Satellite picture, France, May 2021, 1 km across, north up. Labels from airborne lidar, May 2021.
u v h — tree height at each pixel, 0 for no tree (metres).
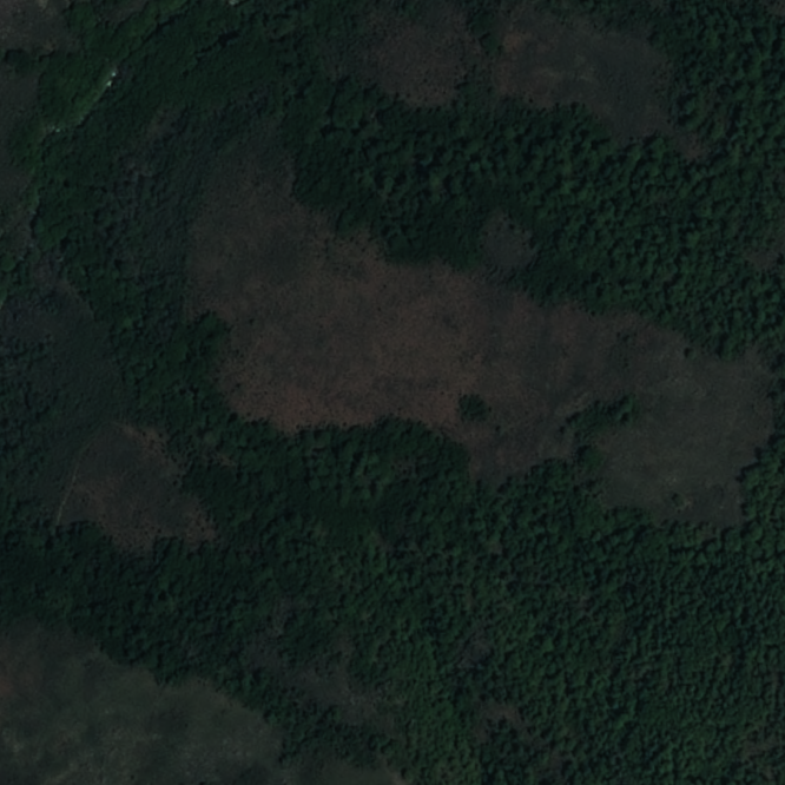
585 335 0
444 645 21
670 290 16
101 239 19
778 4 7
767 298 10
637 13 12
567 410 0
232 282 0
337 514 12
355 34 7
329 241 7
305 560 16
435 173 36
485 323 0
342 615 14
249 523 14
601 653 15
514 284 7
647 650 9
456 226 10
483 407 11
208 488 9
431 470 12
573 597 9
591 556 28
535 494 13
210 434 21
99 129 17
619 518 25
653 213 15
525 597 14
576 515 26
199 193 10
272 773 0
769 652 21
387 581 22
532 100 8
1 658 0
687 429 0
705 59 15
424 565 8
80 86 18
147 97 24
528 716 17
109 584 17
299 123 14
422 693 12
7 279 25
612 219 15
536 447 0
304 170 11
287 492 6
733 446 0
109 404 6
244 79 29
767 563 24
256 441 19
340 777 0
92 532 23
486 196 15
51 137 13
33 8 0
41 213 17
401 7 10
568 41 0
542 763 14
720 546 10
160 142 7
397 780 0
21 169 9
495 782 25
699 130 8
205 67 36
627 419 16
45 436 9
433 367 0
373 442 12
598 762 6
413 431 15
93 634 9
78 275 20
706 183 8
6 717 0
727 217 9
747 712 17
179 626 10
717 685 19
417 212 9
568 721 7
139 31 19
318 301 0
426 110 6
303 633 7
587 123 13
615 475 0
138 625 11
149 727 0
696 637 11
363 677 12
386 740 11
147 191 19
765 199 18
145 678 0
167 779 0
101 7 10
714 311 14
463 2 7
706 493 0
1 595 16
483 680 16
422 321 0
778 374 16
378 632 18
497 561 20
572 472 14
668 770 19
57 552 19
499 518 24
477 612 11
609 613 20
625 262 8
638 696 14
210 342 16
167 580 14
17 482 12
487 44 16
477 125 10
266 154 6
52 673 0
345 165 13
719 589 9
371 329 0
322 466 26
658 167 16
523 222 8
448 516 19
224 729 0
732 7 12
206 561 14
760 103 8
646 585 13
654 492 0
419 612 23
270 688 10
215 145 6
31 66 15
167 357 25
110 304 20
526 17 0
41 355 7
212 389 16
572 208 18
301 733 13
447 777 12
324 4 15
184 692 0
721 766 6
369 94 21
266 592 8
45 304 9
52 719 0
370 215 15
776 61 14
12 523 17
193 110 19
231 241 0
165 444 7
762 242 16
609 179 25
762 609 18
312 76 16
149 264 16
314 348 0
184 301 11
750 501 6
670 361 0
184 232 7
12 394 19
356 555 11
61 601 18
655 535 30
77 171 22
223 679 7
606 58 0
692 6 15
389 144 24
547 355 0
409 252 8
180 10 15
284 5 18
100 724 0
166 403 14
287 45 15
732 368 0
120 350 25
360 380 0
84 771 0
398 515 8
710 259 8
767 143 20
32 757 0
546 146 36
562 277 7
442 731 11
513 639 8
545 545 16
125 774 0
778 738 10
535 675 18
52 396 7
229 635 14
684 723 15
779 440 22
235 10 18
